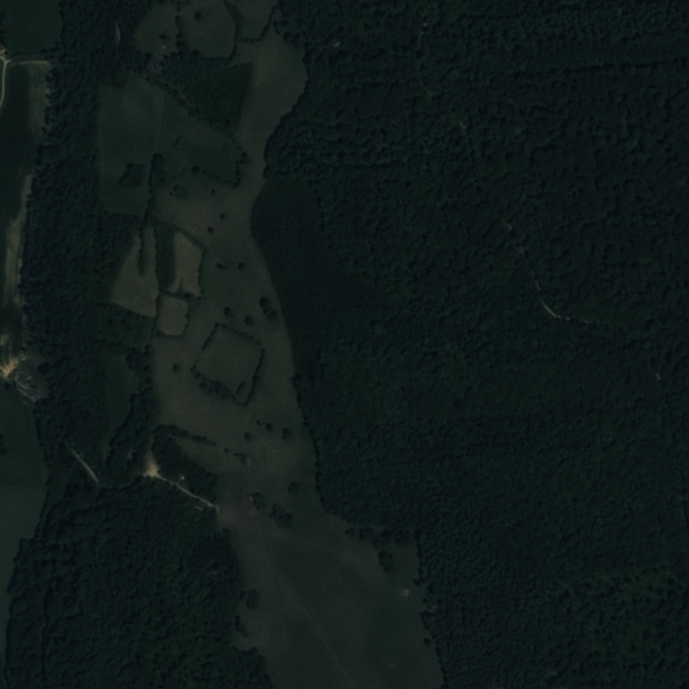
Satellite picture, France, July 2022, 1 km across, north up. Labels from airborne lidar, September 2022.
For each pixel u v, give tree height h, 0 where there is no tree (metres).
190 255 0
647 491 17
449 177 27
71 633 23
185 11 0
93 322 11
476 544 27
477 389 18
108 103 0
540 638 17
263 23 0
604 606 18
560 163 29
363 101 26
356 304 8
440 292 19
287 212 6
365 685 0
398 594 0
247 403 6
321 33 19
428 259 22
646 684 19
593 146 26
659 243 24
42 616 15
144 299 0
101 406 15
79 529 26
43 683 21
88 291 14
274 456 0
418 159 12
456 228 21
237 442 0
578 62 12
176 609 12
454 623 21
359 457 18
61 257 21
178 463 15
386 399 21
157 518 12
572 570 22
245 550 0
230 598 19
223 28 0
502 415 19
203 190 0
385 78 14
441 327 22
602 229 26
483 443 18
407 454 18
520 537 19
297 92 0
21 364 0
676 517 19
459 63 23
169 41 19
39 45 0
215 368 0
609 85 27
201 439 11
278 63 0
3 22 24
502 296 14
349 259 19
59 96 16
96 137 12
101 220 16
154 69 24
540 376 21
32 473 0
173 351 0
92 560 12
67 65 23
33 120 0
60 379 15
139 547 19
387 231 22
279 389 0
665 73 23
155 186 8
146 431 26
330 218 17
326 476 15
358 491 16
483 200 14
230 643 17
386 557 20
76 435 17
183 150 0
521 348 16
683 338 25
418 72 23
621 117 23
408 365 20
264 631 0
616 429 10
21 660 21
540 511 14
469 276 24
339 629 0
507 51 19
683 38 9
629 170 25
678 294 25
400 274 22
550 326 18
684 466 20
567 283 24
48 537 19
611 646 19
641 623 23
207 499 10
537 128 28
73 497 27
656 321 25
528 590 11
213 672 20
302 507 0
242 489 0
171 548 10
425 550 22
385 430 17
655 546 22
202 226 0
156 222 9
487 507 17
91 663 16
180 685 19
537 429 16
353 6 22
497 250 24
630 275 26
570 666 19
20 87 0
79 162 12
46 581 13
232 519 0
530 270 11
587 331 14
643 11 31
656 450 20
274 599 0
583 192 28
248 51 0
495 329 16
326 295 6
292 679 0
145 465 14
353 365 19
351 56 27
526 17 26
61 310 14
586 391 22
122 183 11
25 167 0
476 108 23
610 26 33
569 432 20
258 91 0
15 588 17
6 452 17
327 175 23
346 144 15
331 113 23
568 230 23
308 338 7
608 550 18
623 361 25
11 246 0
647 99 27
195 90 7
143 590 19
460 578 25
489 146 24
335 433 14
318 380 22
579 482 21
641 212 21
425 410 21
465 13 9
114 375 0
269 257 7
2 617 0
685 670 22
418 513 20
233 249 0
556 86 27
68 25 13
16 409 0
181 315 0
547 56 8
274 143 18
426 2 18
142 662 23
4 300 0
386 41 10
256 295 0
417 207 20
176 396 0
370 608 0
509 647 23
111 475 18
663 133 25
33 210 13
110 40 14
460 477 19
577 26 33
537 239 20
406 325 14
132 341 0
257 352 0
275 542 0
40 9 0
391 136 29
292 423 0
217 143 0
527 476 14
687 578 22
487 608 15
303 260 7
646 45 10
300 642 0
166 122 0
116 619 17
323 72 16
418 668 0
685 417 18
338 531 0
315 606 0
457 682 22
